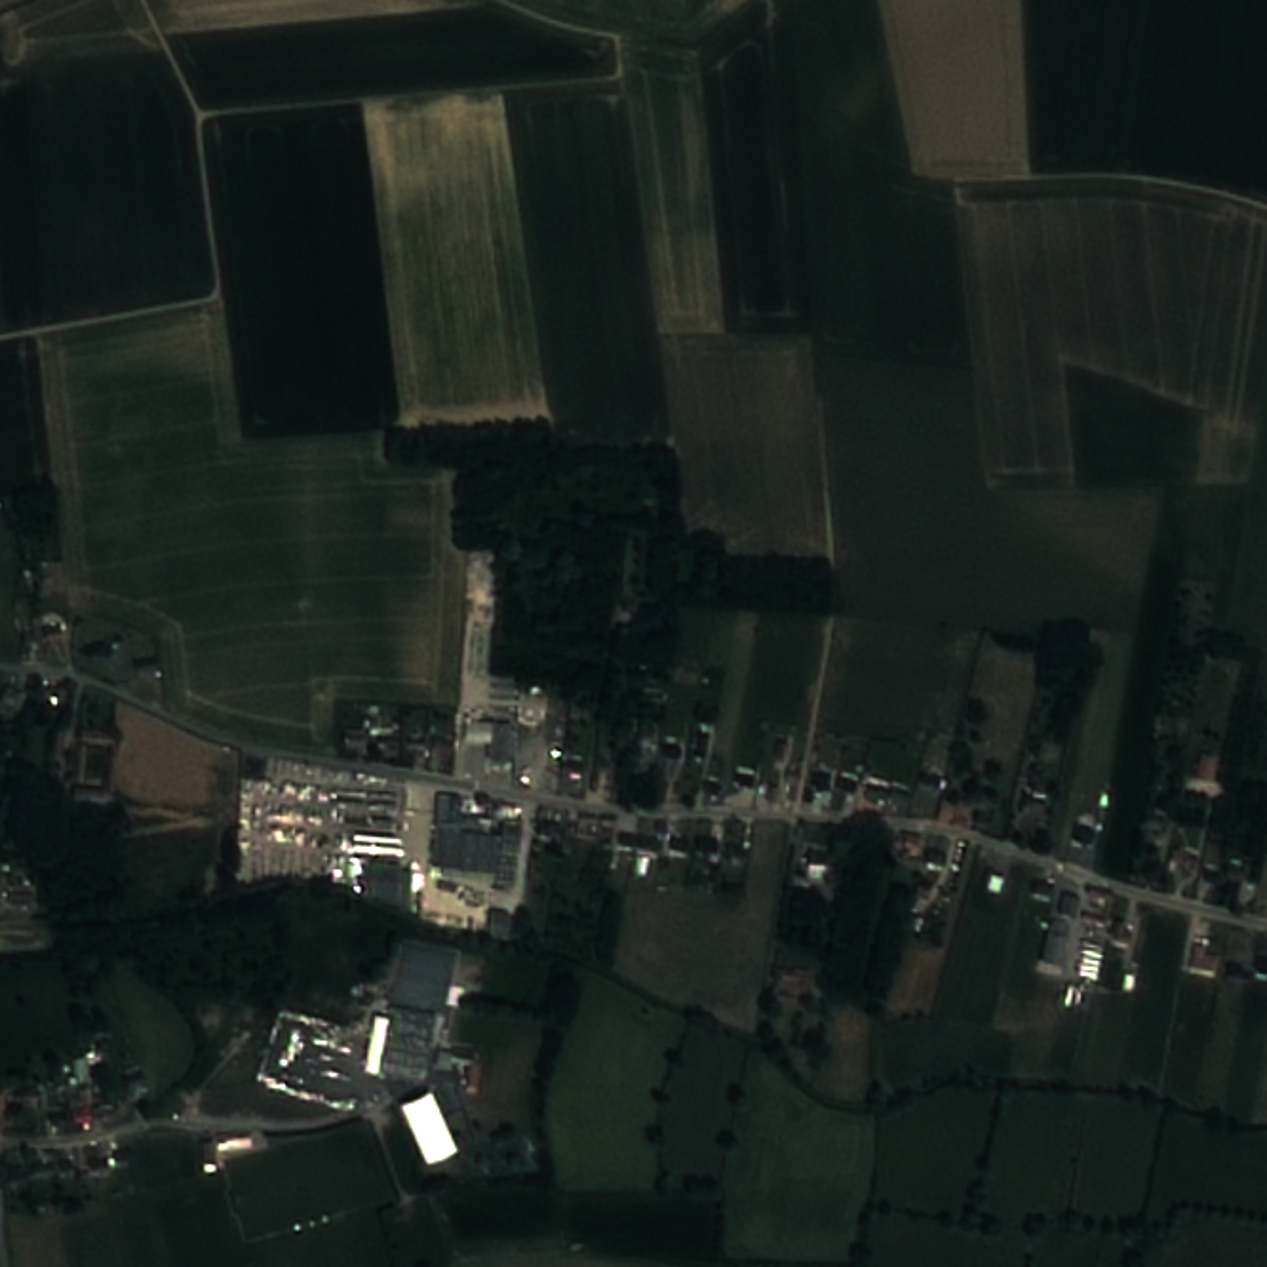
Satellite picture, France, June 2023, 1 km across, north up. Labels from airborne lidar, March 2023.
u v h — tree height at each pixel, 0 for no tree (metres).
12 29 0
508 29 0
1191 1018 0
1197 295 0
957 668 0
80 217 0
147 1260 0
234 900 8
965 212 0
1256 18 0
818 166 0
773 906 0
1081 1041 0
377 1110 0
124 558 0
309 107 0
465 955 0
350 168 0
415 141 0
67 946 16
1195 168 0
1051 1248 0
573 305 0
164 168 0
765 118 0
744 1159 0
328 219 0
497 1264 0
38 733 0
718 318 0
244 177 0
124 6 0
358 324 0
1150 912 0
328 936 0
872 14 0
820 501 0
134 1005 0
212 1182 0
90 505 0
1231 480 0
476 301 0
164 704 0
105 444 0
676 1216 0
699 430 0
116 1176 0
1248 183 0
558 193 0
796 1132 0
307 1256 0
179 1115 0
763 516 0
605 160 0
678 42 0
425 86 0
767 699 0
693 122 0
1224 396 0
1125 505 0
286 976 10
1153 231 0
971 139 0
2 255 0
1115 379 0
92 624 0
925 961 0
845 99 0
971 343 0
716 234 0
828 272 0
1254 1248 0
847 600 0
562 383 0
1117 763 0
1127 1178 0
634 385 0
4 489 0
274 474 0
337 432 0
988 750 0
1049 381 0
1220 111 0
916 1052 0
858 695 0
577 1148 0
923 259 0
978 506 0
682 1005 0
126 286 0
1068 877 0
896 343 0
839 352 0
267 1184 0
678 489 9
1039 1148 0
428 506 0
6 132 0
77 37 0
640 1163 0
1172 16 0
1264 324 0
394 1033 0
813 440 0
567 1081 0
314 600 0
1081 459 0
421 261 0
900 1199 0
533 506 0
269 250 0
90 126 0
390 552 0
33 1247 0
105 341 0
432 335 0
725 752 0
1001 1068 0
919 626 0
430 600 0
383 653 0
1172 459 0
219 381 0
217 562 0
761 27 0
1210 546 0
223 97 0
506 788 0
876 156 0
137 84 0
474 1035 0
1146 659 0
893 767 0
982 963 0
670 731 0
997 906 0
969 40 0
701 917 0
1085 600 0
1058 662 27
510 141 0
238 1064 0
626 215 0
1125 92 0
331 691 0
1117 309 0
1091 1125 0
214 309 0
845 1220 0
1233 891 8
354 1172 0
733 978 0
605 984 0
